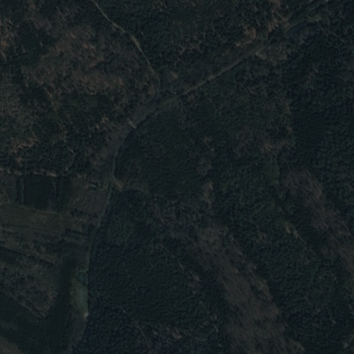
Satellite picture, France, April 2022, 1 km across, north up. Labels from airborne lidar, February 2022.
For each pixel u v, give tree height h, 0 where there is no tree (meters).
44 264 15
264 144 19
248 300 19
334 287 7
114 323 29
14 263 20
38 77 12
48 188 11
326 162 11
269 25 17
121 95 9
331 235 23
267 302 20
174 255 12
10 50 10
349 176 21
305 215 24
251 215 23
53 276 15
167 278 16
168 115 10
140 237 14
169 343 29
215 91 10
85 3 28
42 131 14
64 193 19
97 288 25
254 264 22
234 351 20
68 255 19
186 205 6
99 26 30
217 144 11
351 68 25
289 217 15
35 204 14
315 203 21
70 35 26
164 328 32
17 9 21
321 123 14
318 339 8
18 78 10
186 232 26
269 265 19
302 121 19
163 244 12
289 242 7
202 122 6
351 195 20
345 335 17
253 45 15
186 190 9
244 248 21
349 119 16
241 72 13
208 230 19
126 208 12
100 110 12
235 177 9
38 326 17
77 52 26
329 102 13
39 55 9
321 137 15
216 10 11
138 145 18
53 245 13
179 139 8
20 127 8
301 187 19
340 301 12
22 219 0
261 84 25
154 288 27
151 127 10
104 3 24
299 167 31
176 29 7
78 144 31
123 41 31
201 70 16
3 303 18
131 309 33
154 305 27
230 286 23
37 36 7
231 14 11
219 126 9
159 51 34
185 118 23
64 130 13
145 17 27
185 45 28
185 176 11
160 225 23
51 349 13
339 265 23
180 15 9
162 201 15
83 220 24
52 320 19
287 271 24
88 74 21
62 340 21
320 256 10
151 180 7
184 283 14
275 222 10
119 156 14
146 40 5
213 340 18
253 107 7
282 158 27
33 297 22
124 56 25
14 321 20
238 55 12
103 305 22
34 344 20
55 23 23
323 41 26
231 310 18
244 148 12
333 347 18
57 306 14
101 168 21
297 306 25
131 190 12
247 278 25
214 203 15
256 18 27
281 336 20
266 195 18
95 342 24
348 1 30
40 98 12
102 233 9
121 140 22
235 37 31
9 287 15
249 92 13
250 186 6
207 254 13
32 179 21
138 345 24
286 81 27
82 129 11
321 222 26
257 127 8
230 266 22
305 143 24
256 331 24
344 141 9
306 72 20
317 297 9
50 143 20
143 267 23
